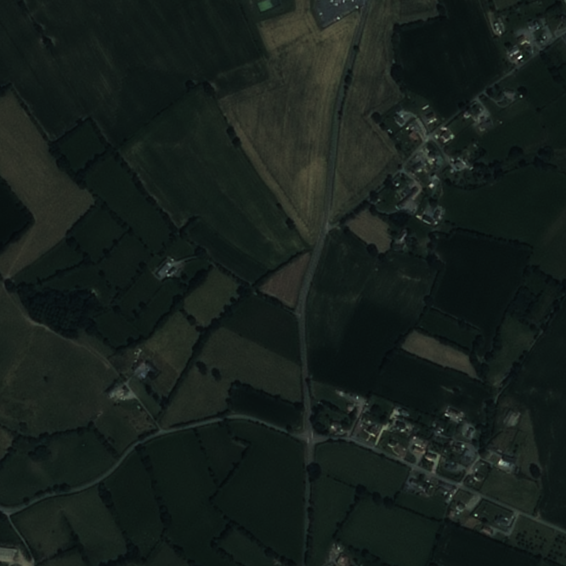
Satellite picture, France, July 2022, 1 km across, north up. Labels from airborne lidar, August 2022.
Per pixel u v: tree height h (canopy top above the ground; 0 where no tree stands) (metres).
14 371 0
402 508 7
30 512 0
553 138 0
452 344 9
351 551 7
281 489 0
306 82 0
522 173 0
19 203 9
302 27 0
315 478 10
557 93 0
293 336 0
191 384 0
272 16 0
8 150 0
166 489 0
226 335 0
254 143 0
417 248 8
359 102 0
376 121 12
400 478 0
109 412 0
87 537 0
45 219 0
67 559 0
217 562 0
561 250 0
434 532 0
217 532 0
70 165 17
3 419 0
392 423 8
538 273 15
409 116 0
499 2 0
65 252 0
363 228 0
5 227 0
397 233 9
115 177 0
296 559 0
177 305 17
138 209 0
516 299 9
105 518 0
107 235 0
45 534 0
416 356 7
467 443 0
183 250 0
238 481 0
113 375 0
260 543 7
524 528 0
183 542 0
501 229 0
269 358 0
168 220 15
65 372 0
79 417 0
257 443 0
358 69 0
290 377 0
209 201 0
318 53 0
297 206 0
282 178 0
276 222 0
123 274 0
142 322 0
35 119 7
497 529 0
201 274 16
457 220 0
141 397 0
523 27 0
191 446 0
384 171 0
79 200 0
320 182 0
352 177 0
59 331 16
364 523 0
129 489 0
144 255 0
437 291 8
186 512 0
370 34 0
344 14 0
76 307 15
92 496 0
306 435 0
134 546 12
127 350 7
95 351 0
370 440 0
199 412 0
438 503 0
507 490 0
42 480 0
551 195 0
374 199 17
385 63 0
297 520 0
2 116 0
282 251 0
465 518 0
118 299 7
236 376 0
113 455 11
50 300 19
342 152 0
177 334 0
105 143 11
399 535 0
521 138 0
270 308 0
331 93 0
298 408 14
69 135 10
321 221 0
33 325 0
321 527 0
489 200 0
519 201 0
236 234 0
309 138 0
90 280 0
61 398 0
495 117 0
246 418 0
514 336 0
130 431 0
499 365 0
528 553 8
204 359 0
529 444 0
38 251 0
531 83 0
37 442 8
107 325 0
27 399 0
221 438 0
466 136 0
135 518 0
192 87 19
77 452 0
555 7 8
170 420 0
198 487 0
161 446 0
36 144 0
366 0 0
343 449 0
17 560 0
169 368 0
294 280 0
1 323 0
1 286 0
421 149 0
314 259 0
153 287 0
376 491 0
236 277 10
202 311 0
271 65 0
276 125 0
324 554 0
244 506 0
